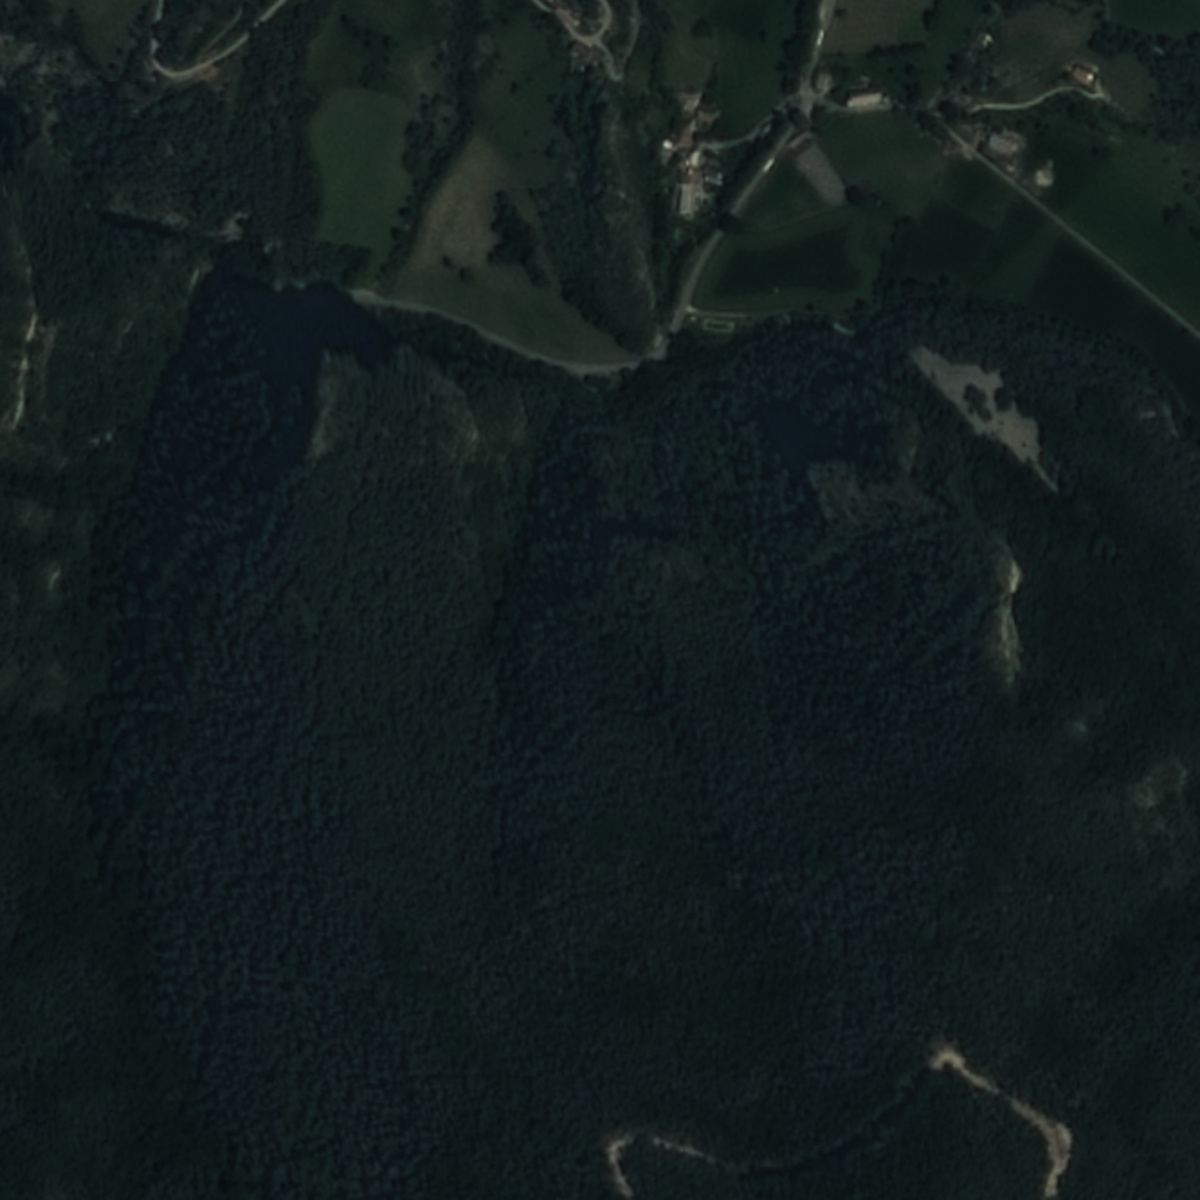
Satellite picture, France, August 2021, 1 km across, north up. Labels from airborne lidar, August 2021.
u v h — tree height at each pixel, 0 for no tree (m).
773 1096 26
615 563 13
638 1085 21
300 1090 11
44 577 6
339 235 0
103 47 0
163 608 24
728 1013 20
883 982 20
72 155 8
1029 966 17
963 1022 14
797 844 20
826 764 20
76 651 10
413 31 0
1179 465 8
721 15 0
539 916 22
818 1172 24
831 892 21
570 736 13
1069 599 16
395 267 6
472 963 20
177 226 9
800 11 14
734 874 28
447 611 16
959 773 16
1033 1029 18
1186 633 18
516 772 24
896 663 14
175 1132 31
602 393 7
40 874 22
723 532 13
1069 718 8
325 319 21
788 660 21
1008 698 12
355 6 0
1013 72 0
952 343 10
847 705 26
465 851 22
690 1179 19
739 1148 23
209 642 9
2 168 34
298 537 16
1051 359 10
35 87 7
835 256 0
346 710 16
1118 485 20
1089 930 18
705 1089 21
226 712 12
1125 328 0
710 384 11
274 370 17
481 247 0
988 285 0
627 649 21
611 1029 21
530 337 0
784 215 0
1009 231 0
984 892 13
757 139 11
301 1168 21
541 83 0
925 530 13
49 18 6
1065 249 0
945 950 15
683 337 15
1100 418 19
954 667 15
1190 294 0
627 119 9
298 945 11
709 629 16
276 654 17
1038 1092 20
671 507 17
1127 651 15
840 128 0
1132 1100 15
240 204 12
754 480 14
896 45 8
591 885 17
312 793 15
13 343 8
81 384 11
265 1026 22
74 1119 19
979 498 14
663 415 9
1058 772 19
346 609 14
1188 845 13
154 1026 24
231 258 14
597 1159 12
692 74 0
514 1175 14
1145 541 17
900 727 19
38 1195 13
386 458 18
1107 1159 18
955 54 11
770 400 12
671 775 22
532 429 12
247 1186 12
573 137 16
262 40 19
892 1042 20
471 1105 16
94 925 34
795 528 6
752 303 0
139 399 9
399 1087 16
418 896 18
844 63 7
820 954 19
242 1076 29
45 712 23
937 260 0
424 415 14
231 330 11
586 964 20
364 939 18
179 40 9
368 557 18
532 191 10
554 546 21
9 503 9
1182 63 13
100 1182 19
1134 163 0
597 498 8
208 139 12
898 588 18
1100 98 0
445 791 22
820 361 13
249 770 14
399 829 22
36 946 25
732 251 0
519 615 15
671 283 7
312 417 13
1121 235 0
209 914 19
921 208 0
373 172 0
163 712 16
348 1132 15
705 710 15
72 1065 28
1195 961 19
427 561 17
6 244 12
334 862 20
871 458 13
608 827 19
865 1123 16
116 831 28
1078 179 0
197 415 23
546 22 15
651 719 24
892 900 8
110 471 13
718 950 19
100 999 21
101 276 15
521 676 22
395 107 0
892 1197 21
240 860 11
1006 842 16
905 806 22
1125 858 15
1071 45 0
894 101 7
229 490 9
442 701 18
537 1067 20
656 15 12
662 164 7
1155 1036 22
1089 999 21
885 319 12
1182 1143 16
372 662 19
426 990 19
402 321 11
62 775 33
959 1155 17
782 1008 26
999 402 9
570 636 15
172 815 16
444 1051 19
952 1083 16
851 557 13
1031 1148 15
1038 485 17
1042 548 14
